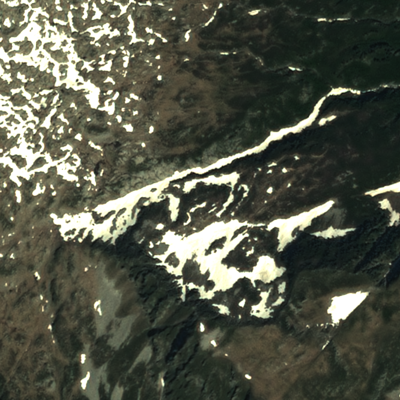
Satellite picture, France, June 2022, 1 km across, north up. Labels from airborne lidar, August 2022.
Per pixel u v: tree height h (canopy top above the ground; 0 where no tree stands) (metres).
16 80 0
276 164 0
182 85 0
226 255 0
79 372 0
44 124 0
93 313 0
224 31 0
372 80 6
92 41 0
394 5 0
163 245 0
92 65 0
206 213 0
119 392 0
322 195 0
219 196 0
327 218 0
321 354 0
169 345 0
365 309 0
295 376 0
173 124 0
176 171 0
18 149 0
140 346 0
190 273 0
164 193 0
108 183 0
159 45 0
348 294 0
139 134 0
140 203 0
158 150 0
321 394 0
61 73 0
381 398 0
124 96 0
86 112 0
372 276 7
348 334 0
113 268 0
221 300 0
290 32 0
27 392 0
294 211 0
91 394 0
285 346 0
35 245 0
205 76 0
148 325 0
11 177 0
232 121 0
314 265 6
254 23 0
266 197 0
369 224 11
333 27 0
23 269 0
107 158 0
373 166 0
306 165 0
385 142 0
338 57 0
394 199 0
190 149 0
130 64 0
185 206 0
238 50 0
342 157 0
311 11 0
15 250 0
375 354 0
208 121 0
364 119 0
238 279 0
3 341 0
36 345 0
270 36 0
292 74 9
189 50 0
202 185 0
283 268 0
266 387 0
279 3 0
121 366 0
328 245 11
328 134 0
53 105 0
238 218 0
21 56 0
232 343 0
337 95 6
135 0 0
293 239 0
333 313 0
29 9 0
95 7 0
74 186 0
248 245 0
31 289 0
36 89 0
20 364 0
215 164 0
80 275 0
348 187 0
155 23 0
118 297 0
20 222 0
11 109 0
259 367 0
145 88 0
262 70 0
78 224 0
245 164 0
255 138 0
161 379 0
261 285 0
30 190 0
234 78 0
